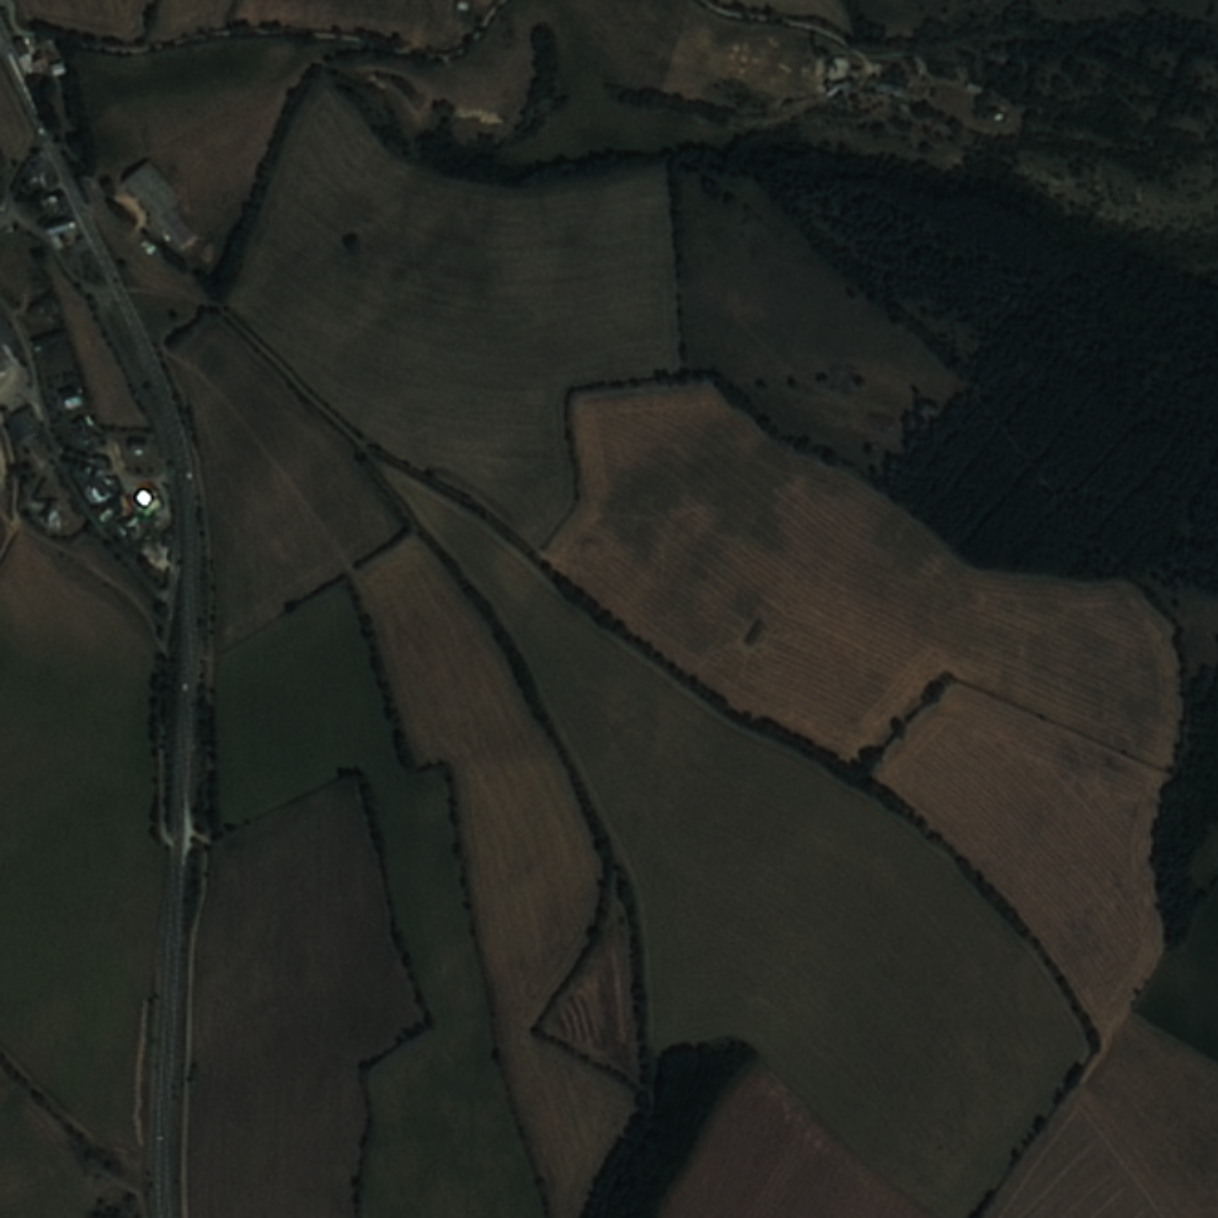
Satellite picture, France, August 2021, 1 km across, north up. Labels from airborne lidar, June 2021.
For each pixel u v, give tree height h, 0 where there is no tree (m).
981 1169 0
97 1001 0
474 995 0
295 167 0
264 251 0
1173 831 14
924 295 9
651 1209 17
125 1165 0
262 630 0
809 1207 0
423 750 0
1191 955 0
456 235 0
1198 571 8
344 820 0
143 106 0
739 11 9
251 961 0
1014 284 7
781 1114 0
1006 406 13
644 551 0
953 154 0
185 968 0
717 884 0
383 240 0
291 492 0
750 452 0
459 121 0
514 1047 0
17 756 0
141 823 0
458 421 0
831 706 0
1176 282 12
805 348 0
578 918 0
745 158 15
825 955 0
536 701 12
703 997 0
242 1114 0
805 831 0
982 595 0
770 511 0
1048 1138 0
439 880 0
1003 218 18
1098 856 0
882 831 0
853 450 0
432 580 0
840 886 0
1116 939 0
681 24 0
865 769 13
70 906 0
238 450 0
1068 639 0
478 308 0
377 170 0
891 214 12
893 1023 0
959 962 0
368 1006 0
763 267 0
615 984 0
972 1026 0
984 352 6
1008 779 0
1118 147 5
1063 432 12
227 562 0
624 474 0
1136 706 0
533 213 0
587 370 0
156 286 0
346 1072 0
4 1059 9
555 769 0
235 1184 0
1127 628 0
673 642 0
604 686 0
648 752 0
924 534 0
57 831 0
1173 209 0
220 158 0
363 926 0
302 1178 0
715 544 0
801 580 0
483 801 0
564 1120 0
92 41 10
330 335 0
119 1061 0
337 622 0
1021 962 0
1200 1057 0
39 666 0
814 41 6
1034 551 13
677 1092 16
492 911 0
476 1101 0
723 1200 0
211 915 0
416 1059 0
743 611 0
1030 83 6
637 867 0
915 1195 0
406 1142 0
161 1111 0
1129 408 11
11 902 0
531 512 0
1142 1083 0
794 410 0
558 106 6
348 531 0
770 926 0
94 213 0
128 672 0
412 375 0
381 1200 0
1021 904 0
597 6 0
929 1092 0
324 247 0
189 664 0
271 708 0
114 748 0
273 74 0
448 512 0
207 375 0
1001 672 0
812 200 10
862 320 0
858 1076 0
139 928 0
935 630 0
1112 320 13
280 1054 0
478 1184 0
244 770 0
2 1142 0
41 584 0
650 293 0
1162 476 14
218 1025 0
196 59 0
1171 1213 0
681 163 10
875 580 0
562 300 0
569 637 0
